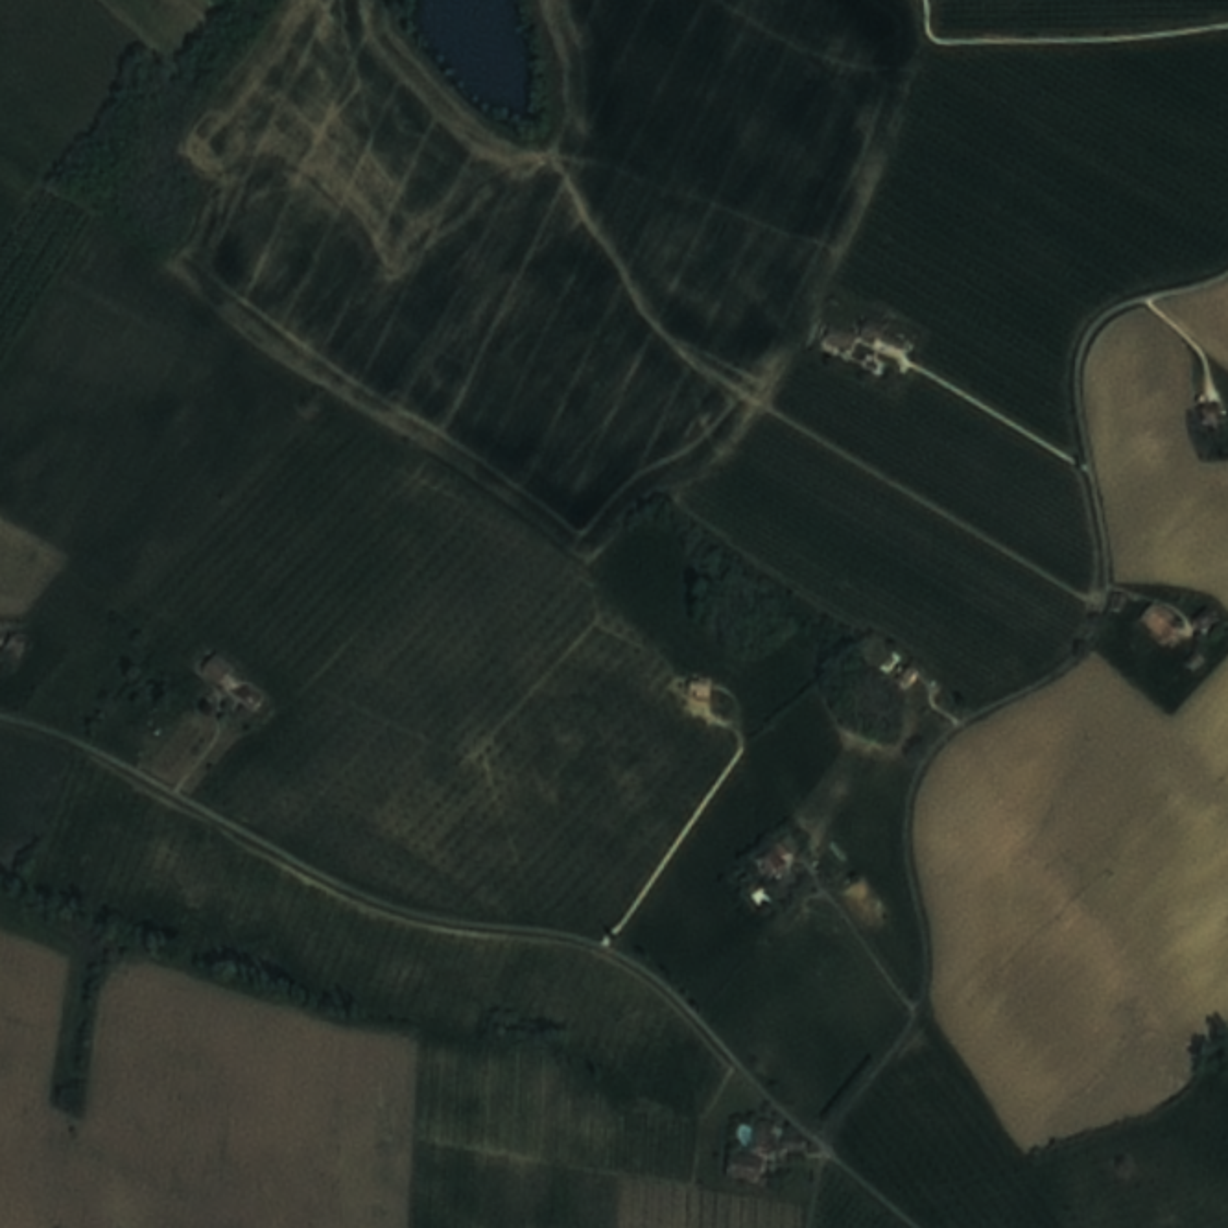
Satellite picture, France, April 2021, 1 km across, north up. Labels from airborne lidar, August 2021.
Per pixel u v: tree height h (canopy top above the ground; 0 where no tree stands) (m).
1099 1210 0
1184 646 0
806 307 0
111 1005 0
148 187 11
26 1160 0
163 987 0
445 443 0
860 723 18
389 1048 0
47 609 0
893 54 0
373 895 0
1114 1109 0
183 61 14
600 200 0
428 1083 0
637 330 0
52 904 24
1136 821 0
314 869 0
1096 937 0
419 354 0
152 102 16
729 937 0
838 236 0
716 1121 0
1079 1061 0
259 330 0
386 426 0
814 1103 0
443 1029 0
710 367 0
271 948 0
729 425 0
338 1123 0
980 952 0
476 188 0
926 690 0
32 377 0
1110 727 0
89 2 0
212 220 0
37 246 6
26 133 0
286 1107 0
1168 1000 0
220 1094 0
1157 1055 0
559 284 0
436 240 0
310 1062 0
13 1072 0
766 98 0
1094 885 0
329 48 0
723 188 0
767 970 0
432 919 0
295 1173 0
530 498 0
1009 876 0
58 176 10
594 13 0
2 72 0
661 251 0
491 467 0
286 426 0
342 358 0
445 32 0
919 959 0
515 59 0
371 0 0
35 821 0
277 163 0
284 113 0
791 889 9
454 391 0
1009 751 0
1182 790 0
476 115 0
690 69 0
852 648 16
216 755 0
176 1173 0
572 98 0
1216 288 0
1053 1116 0
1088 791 0
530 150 0
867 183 0
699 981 0
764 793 0
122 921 17
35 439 0
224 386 0
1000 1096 0
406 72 0
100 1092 0
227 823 0
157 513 0
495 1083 0
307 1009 14
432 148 0
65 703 0
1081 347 0
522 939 0
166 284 0
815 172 0
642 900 0
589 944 0
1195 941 0
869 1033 0
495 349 0
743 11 0
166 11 0
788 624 18
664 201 0
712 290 0
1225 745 0
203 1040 0
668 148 0
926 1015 0
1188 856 0
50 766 0
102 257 0
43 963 0
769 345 0
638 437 0
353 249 0
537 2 0
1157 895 0
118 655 0
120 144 14
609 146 0
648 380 0
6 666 6
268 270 0
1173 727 0
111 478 0
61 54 0
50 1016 0
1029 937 0
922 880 0
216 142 0
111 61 0
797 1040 0
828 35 0
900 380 7
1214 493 0
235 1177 0
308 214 0
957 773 0
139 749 0
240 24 18
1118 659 0
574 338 0
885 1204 0
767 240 0
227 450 0
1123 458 0
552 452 0
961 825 0
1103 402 0
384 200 0
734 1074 0
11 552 0
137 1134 0
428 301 0
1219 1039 22
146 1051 0
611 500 0
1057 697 0
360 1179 0
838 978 0
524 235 0
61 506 0
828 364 10
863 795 0
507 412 0
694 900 0
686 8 0
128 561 0
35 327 0
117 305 0
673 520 11
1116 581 0
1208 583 0
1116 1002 0
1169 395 0
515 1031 8
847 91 0
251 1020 0
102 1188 0
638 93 0
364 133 0
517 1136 0
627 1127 0
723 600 21
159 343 0
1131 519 0
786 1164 8
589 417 0
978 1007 0
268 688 0
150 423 0
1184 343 0
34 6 0
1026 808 0
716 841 0
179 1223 0
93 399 0
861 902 0
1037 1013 0
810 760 0
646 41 0
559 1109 0
